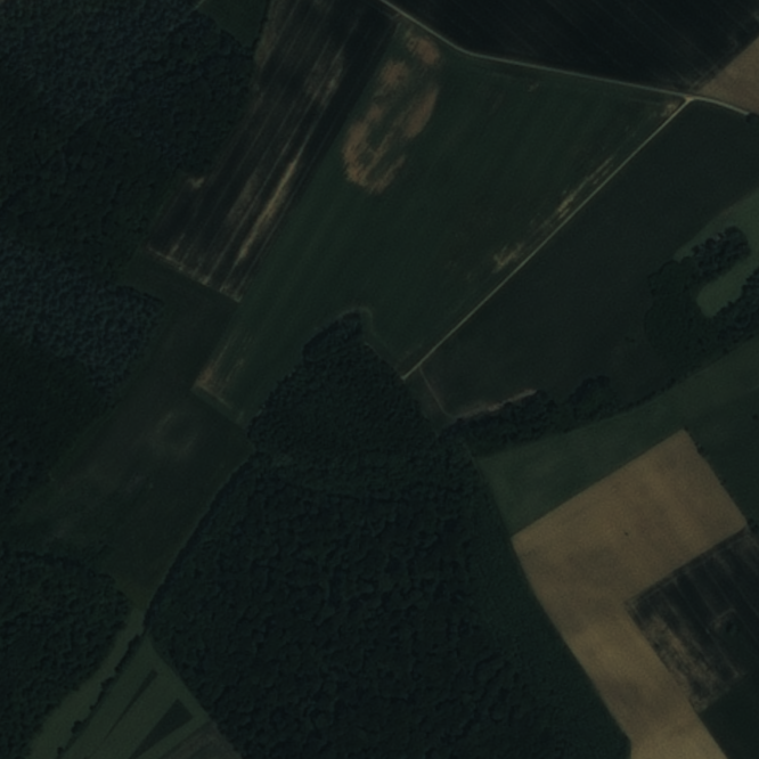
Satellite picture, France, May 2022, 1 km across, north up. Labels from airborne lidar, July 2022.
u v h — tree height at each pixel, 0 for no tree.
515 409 16
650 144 0
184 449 0
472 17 0
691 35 0
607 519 0
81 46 31
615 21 0
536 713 26
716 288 0
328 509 28
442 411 0
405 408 13
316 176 0
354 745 31
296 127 0
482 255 0
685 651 0
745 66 0
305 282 0
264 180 0
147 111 26
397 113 0
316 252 0
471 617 26
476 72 0
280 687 27
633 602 0
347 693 27
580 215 0
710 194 0
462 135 0
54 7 26
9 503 23
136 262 0
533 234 0
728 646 0
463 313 0
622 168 0
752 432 0
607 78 0
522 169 0
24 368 18
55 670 20
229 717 26
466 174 0
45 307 33
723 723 0
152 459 0
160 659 0
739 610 0
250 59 15
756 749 0
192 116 29
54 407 17
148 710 0
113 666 0
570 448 0
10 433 21
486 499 16
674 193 0
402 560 25
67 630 18
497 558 22
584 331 0
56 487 0
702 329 6
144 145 23
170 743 0
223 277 0
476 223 0
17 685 17
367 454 19
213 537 21
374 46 0
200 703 18
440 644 23
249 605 26
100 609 19
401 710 28
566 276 0
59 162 26
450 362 0
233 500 22
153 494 0
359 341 16
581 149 0
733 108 0
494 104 0
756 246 0
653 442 0
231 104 23
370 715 29
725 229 0
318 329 0
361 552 29
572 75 0
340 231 0
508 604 20
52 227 25
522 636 17
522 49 0
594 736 21
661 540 0
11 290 29
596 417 12
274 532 26
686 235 0
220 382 0
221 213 0
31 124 25
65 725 0
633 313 0
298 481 18
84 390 21
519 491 0
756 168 0
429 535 27
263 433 16
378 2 0
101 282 25
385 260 0
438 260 0
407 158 0
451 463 16
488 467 0
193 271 0
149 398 0
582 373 0
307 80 0
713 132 0
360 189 0
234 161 0
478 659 22
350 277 0
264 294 0
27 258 28
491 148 0
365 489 16
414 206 0
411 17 0
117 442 0
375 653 29
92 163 25
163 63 22
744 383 0
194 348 0
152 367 0
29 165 20
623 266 0
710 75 0
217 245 0
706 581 0
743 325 19
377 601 24
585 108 0
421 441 16
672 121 0
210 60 24
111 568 0
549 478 0
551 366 0
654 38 0
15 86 23
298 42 0
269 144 0
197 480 0
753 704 0
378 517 24
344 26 0
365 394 19
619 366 0
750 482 0
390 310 0
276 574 27
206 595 24
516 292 0
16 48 20
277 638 22
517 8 0
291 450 19
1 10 28
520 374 0
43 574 22
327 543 22
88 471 0
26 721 19
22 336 29
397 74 0
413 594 29
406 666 27
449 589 28
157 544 0
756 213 0
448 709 25
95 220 29
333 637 26
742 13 0
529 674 18
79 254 26
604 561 0
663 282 7
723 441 0
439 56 0
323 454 16
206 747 0
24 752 15
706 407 0
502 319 0
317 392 17
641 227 0
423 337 0
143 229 18
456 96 0
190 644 21
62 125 24
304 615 26
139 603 0
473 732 26
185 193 0
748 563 0
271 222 0
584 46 0
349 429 17
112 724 0
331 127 0
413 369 0
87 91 33
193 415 0
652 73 0
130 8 22
